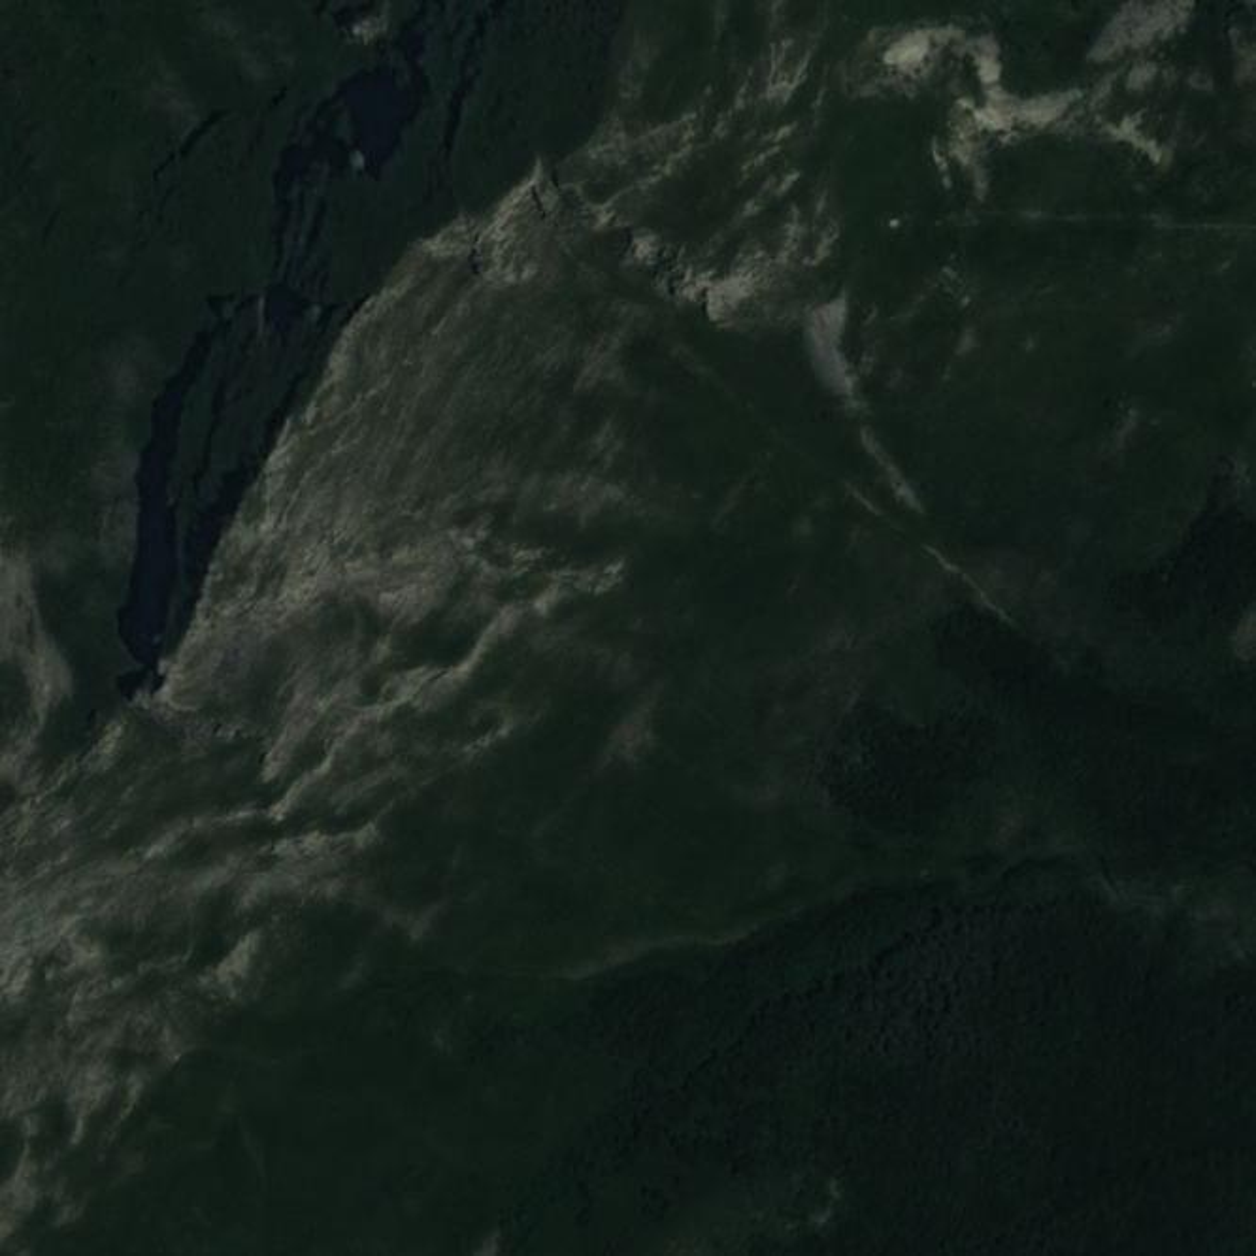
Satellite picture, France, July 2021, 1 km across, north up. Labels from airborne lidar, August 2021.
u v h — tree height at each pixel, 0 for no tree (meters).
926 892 6
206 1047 0
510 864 0
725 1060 13
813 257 0
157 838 0
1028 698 17
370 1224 0
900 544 0
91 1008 0
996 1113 15
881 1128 16
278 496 0
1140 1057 23
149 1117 0
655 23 0
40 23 0
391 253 0
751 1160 9
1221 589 13
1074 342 0
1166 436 0
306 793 0
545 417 0
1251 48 0
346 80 0
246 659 0
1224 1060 21
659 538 0
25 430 0
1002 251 0
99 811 0
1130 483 0
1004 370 0
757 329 0
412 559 0
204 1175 0
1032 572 0
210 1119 0
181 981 0
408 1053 0
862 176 0
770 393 0
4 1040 0
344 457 0
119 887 0
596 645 0
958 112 0
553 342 0
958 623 12
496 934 0
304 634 0
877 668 0
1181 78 0
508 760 0
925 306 0
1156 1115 24
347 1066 0
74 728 0
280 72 0
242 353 0
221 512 0
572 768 0
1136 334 0
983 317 0
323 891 0
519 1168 0
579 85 0
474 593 0
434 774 0
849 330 0
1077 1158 22
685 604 0
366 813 0
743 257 0
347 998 0
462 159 0
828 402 0
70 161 0
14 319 0
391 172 0
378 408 0
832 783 7
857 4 0
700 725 0
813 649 0
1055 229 0
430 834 0
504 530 0
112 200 0
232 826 0
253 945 0
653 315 0
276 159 0
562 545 0
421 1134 0
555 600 0
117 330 0
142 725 0
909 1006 18
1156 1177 23
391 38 0
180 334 0
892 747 16
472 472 0
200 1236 0
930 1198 15
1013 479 0
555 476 0
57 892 0
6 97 0
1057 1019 21
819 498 0
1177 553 7
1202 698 6
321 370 0
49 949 0
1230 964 8
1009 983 17
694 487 0
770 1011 12
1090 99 0
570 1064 0
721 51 0
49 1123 0
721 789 0
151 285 0
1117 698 8
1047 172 0
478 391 0
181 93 0
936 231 0
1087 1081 20
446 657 0
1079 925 9
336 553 0
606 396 0
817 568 0
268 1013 0
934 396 0
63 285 0
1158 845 12
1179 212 0
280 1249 0
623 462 0
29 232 0
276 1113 0
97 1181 0
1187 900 8
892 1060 14
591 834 0
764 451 0
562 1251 0
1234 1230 18
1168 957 13
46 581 0
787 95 0
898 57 0
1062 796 8
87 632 0
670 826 0
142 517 0
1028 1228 15
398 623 0
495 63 0
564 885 0
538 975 0
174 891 0
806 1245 9
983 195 0
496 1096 0
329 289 0
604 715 0
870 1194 14
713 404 0
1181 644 8
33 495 0
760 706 0
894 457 0
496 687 0
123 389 0
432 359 0
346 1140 0
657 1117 11
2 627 0
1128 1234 21
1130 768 11
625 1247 0
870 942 8
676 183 0
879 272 0
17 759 0
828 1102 9
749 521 0
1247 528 10
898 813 15
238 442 0
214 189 0
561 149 0
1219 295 0
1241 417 0
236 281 0
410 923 0
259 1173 0
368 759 0
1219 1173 17
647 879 0
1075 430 0
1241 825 15
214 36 0
